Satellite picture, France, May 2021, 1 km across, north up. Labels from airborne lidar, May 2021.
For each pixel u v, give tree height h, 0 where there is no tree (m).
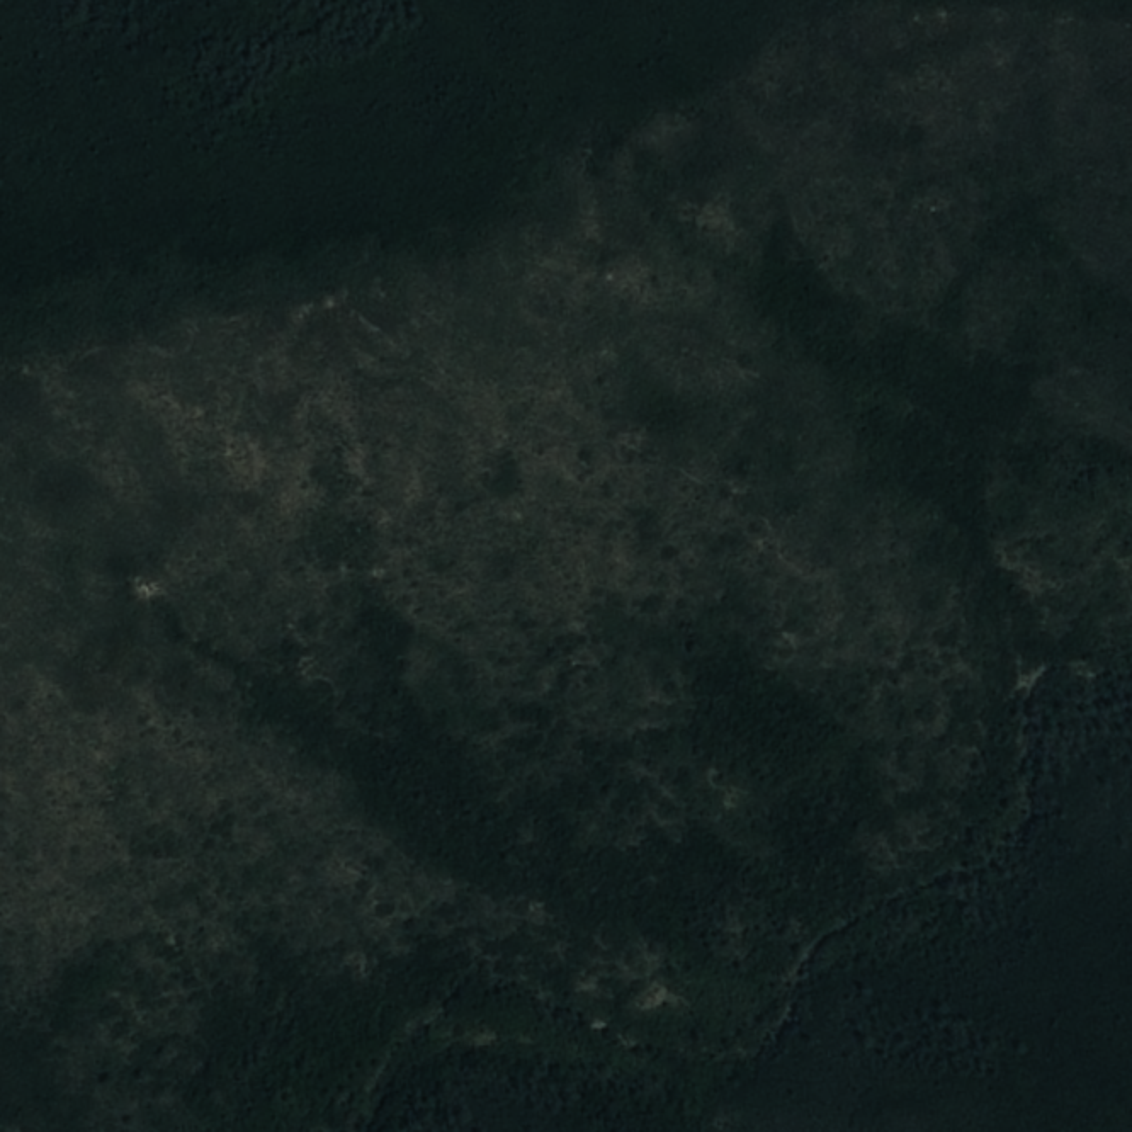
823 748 8
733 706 8
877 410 8
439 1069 15
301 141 6
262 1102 7
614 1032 14
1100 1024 7
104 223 8
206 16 9
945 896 8
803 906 7
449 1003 14
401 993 9
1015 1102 6
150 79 6
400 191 7
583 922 6
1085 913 6
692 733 6
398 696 14
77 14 19
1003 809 8
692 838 6
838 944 11
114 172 7
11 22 6
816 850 12
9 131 8
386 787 7
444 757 7
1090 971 6
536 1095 22
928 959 10
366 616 6
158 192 6
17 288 7
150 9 10
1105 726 23
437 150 7
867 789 7
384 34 19
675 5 8
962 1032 21
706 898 5
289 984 8
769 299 6
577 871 10
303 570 6
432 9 7
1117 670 14
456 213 7
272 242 6
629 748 6
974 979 7
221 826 6
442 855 7
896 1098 6
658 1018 7
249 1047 6
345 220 8
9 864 0
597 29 5
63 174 6
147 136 6
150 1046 6
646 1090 26
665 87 7
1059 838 6
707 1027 7
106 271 5
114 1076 14
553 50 6
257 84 20
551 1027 9
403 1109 8
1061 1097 6
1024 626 6
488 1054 18
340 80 7
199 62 18
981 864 15
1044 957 6
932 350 7
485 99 8
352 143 6
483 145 7
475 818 20
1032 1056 6
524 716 6
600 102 6
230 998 5
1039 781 15
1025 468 7
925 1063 15
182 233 6
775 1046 14
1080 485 15
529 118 6
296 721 7
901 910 15
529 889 9
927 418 7
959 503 7
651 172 6
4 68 6
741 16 5
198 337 0
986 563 7
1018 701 9
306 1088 9
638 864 7
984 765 15
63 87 6
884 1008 7
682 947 13
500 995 16
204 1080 8
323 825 0
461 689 6
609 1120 16
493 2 7
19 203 8
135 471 0
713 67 5
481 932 6
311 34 16
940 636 6
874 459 6
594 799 6
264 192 6
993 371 6
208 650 7
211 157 6
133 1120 18
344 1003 6
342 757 6
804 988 13
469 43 5
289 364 0
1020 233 7
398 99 6
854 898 9
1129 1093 6
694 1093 8
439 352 0
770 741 12
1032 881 8
